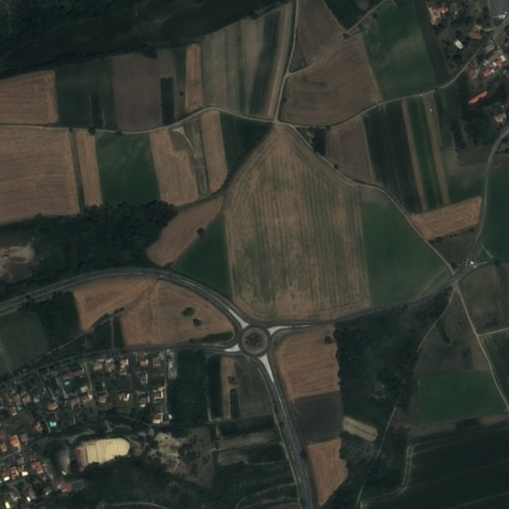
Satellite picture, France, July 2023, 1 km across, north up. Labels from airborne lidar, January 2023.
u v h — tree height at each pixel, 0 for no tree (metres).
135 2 15
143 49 10
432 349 0
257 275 0
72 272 17
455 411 0
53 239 0
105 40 0
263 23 0
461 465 0
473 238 0
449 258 0
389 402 7
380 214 0
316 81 0
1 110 0
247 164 0
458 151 8
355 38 0
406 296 0
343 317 0
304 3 0
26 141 0
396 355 11
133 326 0
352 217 0
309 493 0
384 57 0
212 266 0
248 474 7
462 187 0
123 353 5
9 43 20
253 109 0
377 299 0
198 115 0
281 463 0
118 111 0
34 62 0
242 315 0
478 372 0
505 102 11
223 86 0
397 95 0
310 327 0
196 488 7
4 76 9
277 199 0
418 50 0
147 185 0
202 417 10
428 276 0
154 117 0
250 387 0
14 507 0
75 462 8
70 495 10
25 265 0
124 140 0
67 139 0
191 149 0
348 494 10
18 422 0
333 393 0
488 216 0
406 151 0
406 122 0
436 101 0
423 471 0
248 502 0
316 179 0
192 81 0
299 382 0
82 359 10
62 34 0
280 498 0
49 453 8
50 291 0
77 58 14
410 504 0
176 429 7
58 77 0
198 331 0
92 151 0
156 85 0
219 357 0
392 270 0
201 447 0
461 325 0
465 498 0
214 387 0
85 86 0
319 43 0
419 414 0
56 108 0
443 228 0
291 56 0
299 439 0
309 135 0
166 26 0
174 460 0
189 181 0
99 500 8
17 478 7
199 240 0
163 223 18
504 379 0
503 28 0
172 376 0
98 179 0
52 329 6
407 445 0
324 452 0
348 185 0
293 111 0
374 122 0
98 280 0
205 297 0
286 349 0
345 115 0
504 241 0
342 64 0
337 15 6
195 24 0
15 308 0
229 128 0
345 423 0
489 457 0
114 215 9
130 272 0
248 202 0
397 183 0
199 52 0
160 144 0
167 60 0
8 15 8
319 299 0
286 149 0
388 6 0
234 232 0
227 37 0
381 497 0
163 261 0
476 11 0
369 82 0
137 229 7
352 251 0
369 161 0
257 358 0
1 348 0
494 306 0
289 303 0
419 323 0
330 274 0
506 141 9
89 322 0
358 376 7
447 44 6
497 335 0
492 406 0
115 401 0
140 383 0
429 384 0
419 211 0
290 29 0
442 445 0
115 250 7
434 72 0
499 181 0
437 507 0
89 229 8
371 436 0
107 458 0
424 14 0
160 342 0
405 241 0
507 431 0
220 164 0
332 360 0
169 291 0
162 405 0
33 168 0
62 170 0
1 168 0
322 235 0
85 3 17
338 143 0
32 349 0
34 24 19
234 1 0
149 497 8
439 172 0
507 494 0
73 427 7
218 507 6
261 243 0
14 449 0
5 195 0
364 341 7
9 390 7
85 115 0
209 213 0
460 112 0
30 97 0
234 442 0
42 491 9
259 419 0
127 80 0
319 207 0
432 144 0
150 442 7
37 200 0
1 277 0
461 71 0
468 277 0
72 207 0
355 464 8
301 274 0
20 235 0
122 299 0
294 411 0
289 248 0
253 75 0
